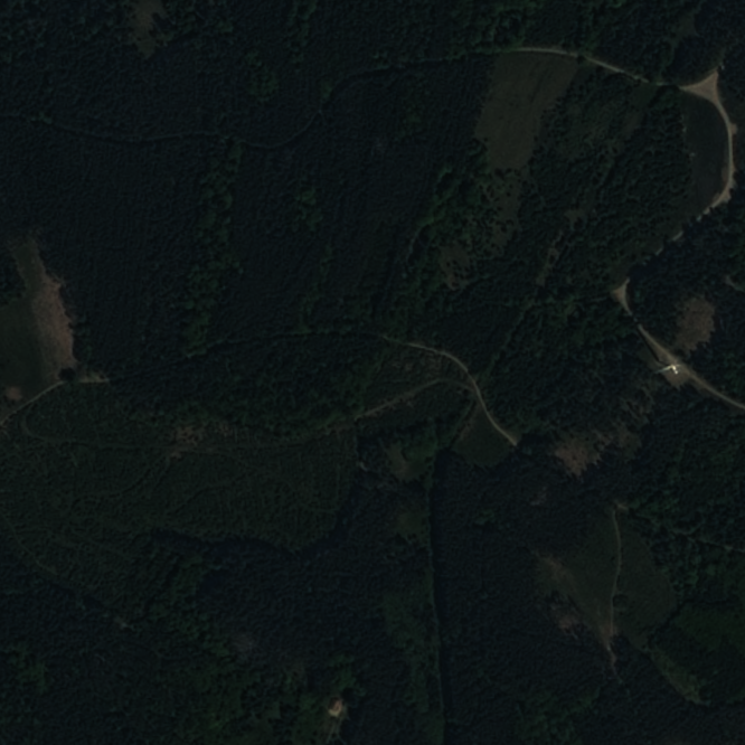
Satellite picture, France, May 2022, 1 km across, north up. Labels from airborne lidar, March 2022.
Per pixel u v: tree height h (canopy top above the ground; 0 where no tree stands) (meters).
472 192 27
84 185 20
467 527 23
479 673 26
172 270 20
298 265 27
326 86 19
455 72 21
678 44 0
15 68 27
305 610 36
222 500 6
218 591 34
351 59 18
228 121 25
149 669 20
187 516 7
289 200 26
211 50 25
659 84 0
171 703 13
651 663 25
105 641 16
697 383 0
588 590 0
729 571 12
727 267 19
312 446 6
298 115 22
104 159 21
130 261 23
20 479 6
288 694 8
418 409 6
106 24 23
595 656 27
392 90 20
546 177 10
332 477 6
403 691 25
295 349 18
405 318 17
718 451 11
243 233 25
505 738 29
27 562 7
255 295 25
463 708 26
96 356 20
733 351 28
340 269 26
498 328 19
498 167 0
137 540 8
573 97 9
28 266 0
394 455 0
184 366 18
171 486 7
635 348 26
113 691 19
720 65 0
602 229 9
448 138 19
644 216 7
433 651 12
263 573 36
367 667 35
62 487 7
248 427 24
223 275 19
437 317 18
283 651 28
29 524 5
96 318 21
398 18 14
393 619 24
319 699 15
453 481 30
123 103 27
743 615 13
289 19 23
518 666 32
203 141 21
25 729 23
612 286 7
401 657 29
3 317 0
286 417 20
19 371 0
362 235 25
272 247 24
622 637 0
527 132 0
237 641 26
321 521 6
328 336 22
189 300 23
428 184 23
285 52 17
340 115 24
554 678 31
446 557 30
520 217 10
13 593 24
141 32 0
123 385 25
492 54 19
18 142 19
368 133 23
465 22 19
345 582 29
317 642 35
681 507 14
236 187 22
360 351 23
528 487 32
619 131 9
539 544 31
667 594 0
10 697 24
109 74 26
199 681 14
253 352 25
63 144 22
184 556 16
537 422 10
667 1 20
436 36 19
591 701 24
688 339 0
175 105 25
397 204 25
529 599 29
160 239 18
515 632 34
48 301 0
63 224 24
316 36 23
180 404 22
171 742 14
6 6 32
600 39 13
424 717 23
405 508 34
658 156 10
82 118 26
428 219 20
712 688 12
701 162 0
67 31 19
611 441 29
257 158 22
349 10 21
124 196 21
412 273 19
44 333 0
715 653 17
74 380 19
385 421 6
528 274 13
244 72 22
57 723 24
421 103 22
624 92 7
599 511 30
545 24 12
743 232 25
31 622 25
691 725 25
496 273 12
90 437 7
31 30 27
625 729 29
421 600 25
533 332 14
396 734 36
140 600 7
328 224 29
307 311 21
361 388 17
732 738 21
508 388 12
